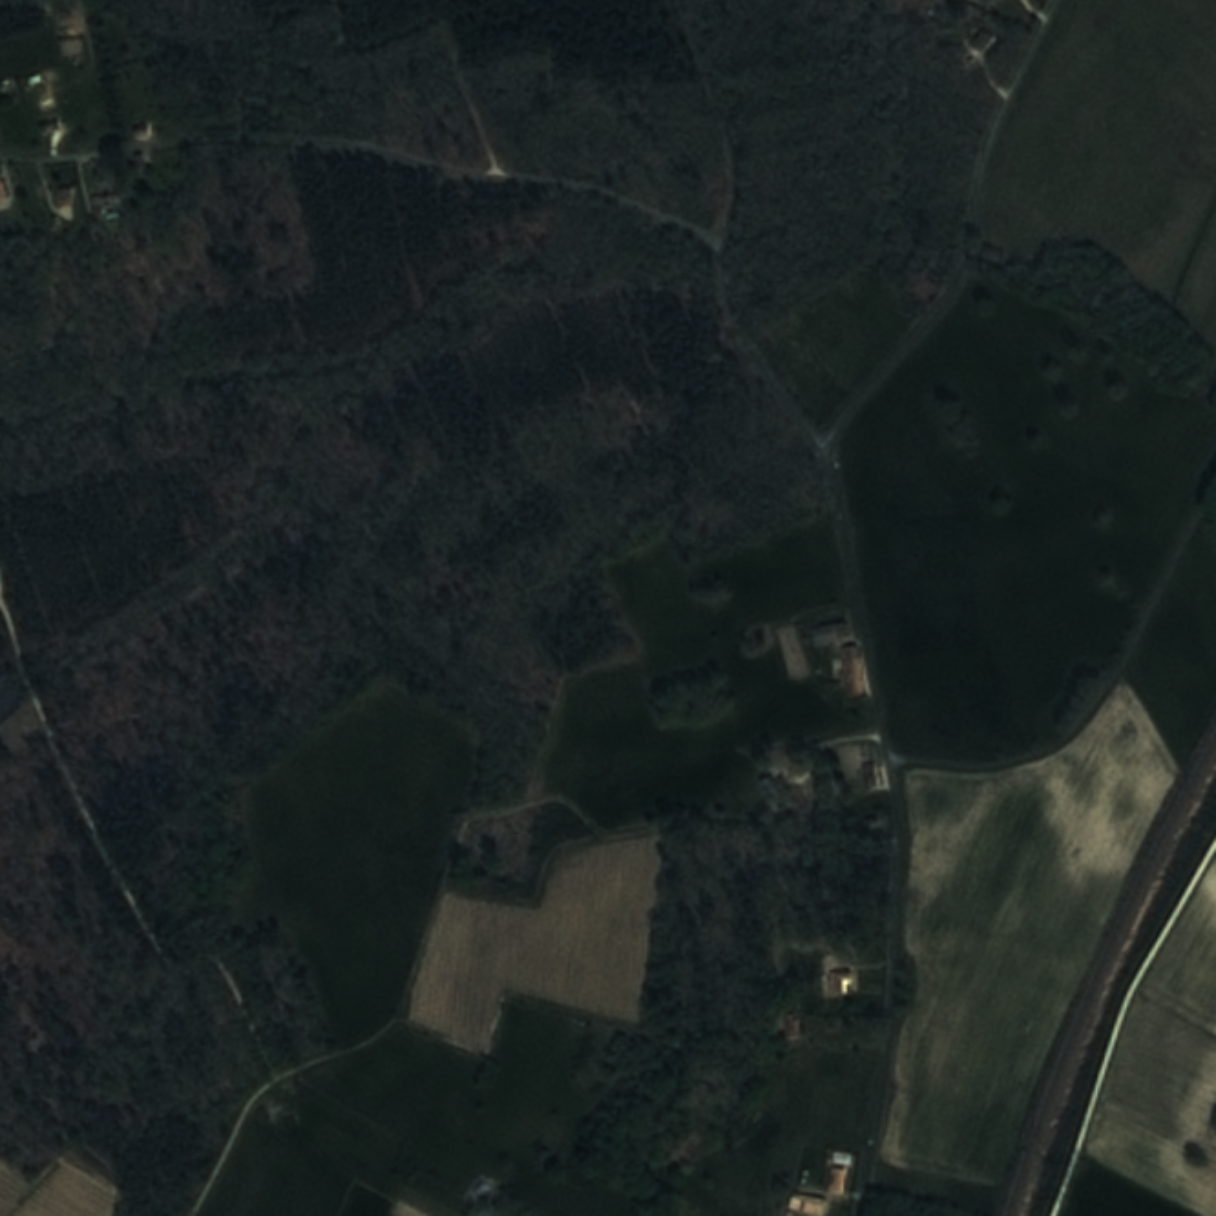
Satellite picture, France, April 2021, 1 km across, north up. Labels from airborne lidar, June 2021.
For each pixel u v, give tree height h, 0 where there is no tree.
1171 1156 0
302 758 0
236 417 24
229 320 18
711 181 13
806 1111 0
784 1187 12
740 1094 18
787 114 17
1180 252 0
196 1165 13
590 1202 0
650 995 10
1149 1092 0
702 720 21
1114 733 0
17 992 22
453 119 12
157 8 16
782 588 0
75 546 14
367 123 15
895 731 0
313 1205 0
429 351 18
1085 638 0
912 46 16
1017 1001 0
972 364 0
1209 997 0
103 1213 0
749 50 17
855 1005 12
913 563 0
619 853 0
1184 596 0
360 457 10
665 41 12
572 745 0
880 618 0
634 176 13
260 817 0
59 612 15
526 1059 0
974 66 11
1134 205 0
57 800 7
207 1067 13
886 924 17
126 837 23
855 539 0
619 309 13
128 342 13
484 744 10
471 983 0
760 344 17
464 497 15
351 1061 0
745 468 11
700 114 20
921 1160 0
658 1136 14
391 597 14
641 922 0
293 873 0
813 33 13
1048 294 17
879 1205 15
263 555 17
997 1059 0
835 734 0
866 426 0
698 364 19
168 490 12
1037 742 8
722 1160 0
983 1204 0
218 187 10
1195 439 0
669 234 12
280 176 9
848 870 23
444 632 7
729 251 16
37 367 22
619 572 0
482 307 16
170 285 12
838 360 0
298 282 11
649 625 0
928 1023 0
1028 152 0
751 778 0
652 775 0
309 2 17
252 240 7
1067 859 0
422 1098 0
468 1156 0
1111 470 0
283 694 15
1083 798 0
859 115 17
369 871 0
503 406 14
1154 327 18
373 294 17
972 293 0
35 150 7
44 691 16
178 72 20
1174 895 6
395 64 14
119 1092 13
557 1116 0
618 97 12
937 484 0
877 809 7
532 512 15
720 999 21
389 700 0
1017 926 0
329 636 9
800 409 11
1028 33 13
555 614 10
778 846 28
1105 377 0
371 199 18
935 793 0
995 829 0
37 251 17
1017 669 0
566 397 12
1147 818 0
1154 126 0
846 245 18
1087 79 0
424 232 20
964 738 0
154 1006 14
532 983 0
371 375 17
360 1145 0
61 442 19
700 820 17
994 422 0
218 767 17
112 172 10
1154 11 0
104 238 12
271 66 16
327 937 0
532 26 13
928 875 0
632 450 12
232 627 9
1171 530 0
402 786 0
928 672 0
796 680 0
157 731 12
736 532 13
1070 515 0
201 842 13
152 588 13
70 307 16
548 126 18
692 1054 15
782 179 20
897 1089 0
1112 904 0
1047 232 0
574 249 19
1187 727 0
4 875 8
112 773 6
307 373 20
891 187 20
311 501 14
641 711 0
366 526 11
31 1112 9
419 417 17
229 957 11
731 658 0
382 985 0
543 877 0
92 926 12
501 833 0
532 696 6
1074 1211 0
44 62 0
